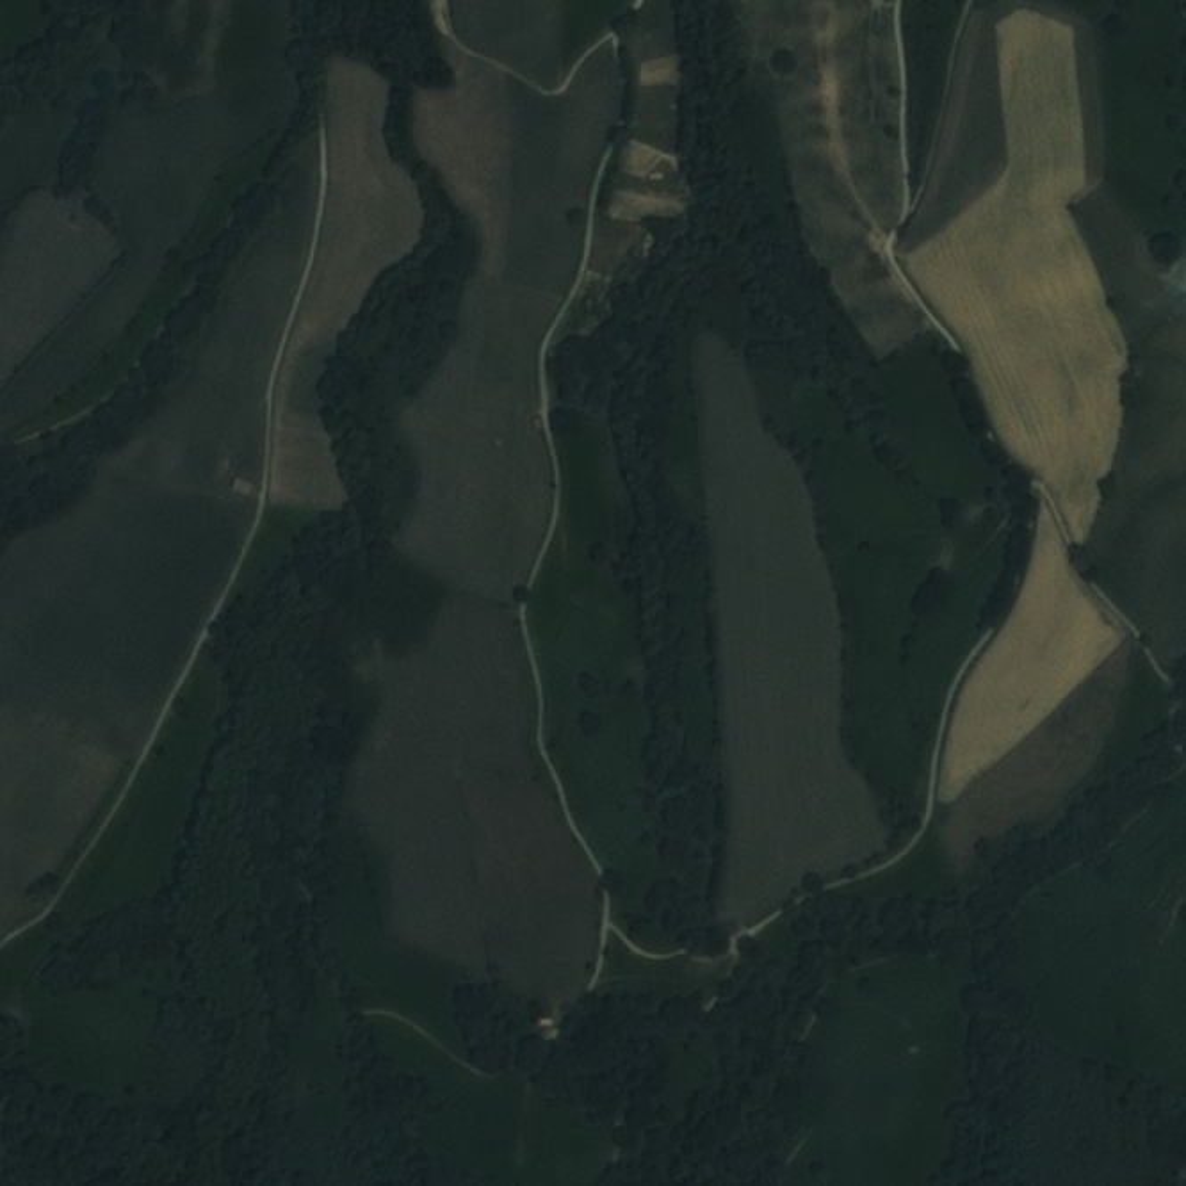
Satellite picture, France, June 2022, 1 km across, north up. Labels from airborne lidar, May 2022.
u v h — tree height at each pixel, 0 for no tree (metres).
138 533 0
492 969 7
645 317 24
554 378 6
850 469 0
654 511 28
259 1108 13
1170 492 0
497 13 0
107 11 19
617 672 0
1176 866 0
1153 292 0
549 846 0
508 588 0
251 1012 23
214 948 27
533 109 0
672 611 13
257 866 11
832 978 10
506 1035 8
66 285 0
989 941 21
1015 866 14
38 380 0
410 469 0
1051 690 0
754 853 0
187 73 0
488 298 0
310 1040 0
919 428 0
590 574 0
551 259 0
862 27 0
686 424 0
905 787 0
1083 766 0
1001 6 0
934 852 0
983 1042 27
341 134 0
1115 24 15
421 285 9
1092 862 13
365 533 11
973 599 0
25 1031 17
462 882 0
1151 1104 9
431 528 0
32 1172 16
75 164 19
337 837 7
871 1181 0
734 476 0
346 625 0
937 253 0
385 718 0
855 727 0
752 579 0
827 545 8
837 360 23
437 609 0
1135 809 11
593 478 0
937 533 0
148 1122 16
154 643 0
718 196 27
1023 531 15
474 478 0
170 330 15
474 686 0
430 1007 0
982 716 0
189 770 0
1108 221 0
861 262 0
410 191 0
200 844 29
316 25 23
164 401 10
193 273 10
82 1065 0
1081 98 0
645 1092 14
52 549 0
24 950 0
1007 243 0
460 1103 0
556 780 0
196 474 0
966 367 17
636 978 0
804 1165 0
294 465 0
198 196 0
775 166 0
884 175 0
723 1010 14
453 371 0
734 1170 21
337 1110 0
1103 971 0
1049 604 0
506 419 0
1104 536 0
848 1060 0
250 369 0
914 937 27
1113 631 0
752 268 25
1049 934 0
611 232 0
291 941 10
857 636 0
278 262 0
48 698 0
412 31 14
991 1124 13
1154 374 0
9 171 0
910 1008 0
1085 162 0
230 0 0
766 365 17
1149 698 0
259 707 25
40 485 22
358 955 0
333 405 12
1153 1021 0
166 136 0
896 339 0
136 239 0
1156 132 0
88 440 25
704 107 16
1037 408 0
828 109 0
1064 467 0
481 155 0
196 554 0
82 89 0
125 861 0
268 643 27
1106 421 0
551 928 0
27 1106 11
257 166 0
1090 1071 13
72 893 0
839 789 0
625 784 0
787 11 0
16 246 0
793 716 0
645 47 0
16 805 0
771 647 0
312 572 24
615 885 18
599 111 0
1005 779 0
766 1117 14
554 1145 0
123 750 0
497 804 0
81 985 12
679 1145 9
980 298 0
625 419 31
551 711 0
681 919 10
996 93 0
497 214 0
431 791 0
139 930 23
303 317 0
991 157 0
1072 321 0
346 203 0
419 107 0
